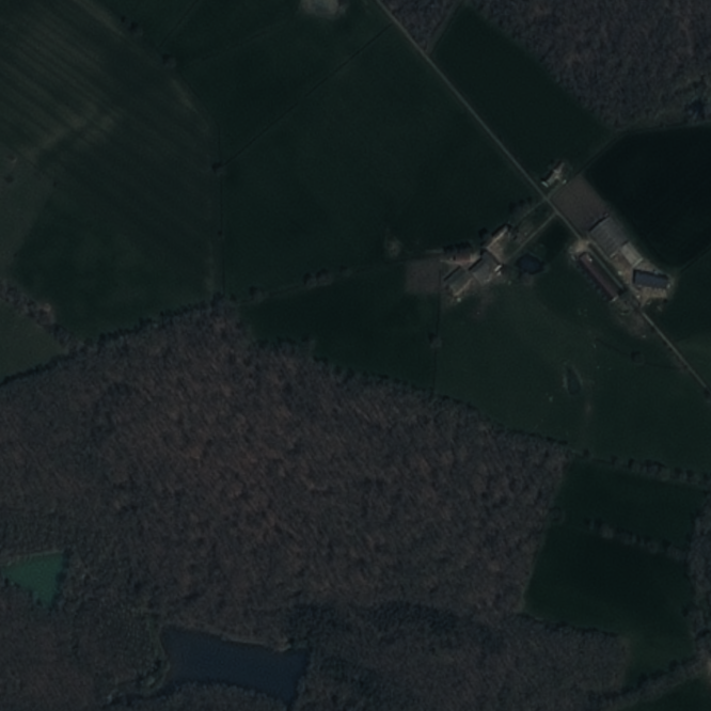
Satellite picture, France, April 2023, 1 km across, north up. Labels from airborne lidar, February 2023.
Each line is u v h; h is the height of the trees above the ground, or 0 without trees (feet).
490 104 0
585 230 0
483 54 0
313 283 49
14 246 0
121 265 0
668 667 0
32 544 39
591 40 68
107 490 79
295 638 64
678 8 71
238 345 81
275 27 0
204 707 60
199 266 0
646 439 0
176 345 76
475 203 0
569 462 45
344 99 0
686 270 0
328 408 71
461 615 60
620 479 0
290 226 0
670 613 0
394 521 51
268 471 26
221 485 42
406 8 39
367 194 0
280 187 0
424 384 0
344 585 74
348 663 75
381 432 74
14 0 0
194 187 0
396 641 48
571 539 0
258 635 59
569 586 0
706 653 60
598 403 0
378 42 0
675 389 0
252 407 59
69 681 45
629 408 0
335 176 0
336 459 53
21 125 0
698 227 0
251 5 0
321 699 73
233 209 0
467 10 0
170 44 0
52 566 0
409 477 18
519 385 0
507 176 0
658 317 0
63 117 0
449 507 83
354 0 0
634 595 0
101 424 62
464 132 0
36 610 58
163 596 61
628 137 0
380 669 72
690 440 0
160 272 0
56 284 0
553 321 0
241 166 0
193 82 0
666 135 0
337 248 0
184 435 61
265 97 0
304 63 0
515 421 0
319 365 62
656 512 0
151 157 0
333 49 0
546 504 65
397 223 0
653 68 66
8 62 0
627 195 0
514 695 76
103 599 56
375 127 0
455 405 36
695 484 47
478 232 0
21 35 0
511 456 67
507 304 0
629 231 0
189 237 0
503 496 71
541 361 0
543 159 0
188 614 59
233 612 65
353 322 0
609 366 0
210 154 0
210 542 25
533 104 0
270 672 0
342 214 0
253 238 0
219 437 63
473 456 64
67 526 48
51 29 0
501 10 65
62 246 0
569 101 0
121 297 0
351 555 78
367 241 0
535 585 0
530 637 92
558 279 0
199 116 0
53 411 75
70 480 83
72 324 0
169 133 0
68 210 0
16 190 0
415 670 75
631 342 0
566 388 0
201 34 0
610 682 65
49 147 0
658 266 0
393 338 0
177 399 67
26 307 44
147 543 69
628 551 0
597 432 0
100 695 59
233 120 0
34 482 67
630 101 62
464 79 0
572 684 78
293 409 67
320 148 0
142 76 0
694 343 0
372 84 0
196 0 0
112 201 0
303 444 64
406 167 0
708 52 52
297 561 76
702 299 0
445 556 31
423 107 0
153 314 0
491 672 78
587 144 0
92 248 0
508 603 63
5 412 74
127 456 59
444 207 0
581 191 0
